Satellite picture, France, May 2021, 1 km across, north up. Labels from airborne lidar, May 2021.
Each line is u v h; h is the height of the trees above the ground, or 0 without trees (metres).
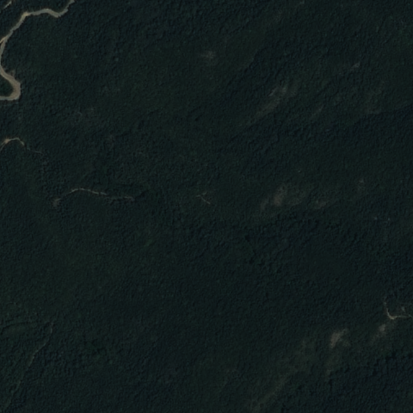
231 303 9
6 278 11
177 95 9
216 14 16
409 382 22
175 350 7
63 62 16
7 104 8
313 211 17
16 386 13
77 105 11
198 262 9
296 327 13
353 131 10
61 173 9
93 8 12
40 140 12
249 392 7
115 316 8
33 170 9
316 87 8
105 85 6
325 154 7
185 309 13
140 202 19
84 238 10
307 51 11
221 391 9
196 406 12
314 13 11
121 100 8
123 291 11
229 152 20
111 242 12
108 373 9
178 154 7
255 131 15
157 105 19
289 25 12
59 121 17
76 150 8
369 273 12
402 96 8
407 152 11
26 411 17
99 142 17
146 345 14
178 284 8
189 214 11
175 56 9
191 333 8
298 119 9
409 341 21
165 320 10
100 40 11
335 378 26
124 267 8
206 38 11
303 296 15
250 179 8
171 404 12
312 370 11
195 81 8
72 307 13
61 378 11
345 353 11
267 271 15
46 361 15
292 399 19
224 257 14
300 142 15
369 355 8
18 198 10
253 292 8
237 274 11
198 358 10
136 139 10
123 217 13
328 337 8
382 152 8
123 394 9
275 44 15
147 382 9
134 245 12
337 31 10
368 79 7
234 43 9
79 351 16
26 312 15
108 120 10
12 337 6
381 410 20
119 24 10
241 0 13
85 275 10
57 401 13
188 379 12
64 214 13
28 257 10
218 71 10
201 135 18
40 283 14
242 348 11
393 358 16
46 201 11
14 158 8
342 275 8
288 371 10
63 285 10
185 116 15
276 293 12
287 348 7
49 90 10
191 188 11
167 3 7
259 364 12
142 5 7
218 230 11
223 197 9
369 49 8
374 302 9
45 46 15
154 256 10
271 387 11
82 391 13
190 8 8
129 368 9
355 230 19
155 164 12
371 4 10
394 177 13
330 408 13
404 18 8
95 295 11
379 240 7
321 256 7
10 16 14
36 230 12
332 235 15
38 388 15
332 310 12
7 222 10
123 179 14
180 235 9
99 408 11
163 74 12
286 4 7
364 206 8
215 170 10
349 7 6
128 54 13
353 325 7
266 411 11
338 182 9
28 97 17
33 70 9
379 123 13
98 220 7
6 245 13
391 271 17
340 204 13
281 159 9
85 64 12
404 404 22
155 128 13
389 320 8
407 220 8
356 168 13
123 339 6
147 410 11
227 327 12
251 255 22
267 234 8
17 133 7
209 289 10
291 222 10
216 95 13
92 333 18
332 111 11
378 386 19
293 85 11
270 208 11
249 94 7
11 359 13
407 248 14
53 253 9
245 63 7
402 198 11
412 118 20
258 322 11
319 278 9
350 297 6
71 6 14
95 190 12
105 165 20
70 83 10
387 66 7
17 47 12
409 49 13
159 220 21
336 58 8
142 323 7
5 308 8
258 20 7
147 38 8
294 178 10
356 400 15
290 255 6
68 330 10
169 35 13
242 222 10
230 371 7
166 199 9
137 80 12
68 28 7
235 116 8
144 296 9
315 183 8
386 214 13
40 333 10
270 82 9
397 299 12
